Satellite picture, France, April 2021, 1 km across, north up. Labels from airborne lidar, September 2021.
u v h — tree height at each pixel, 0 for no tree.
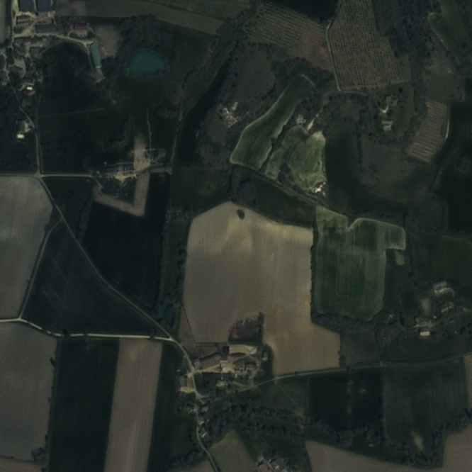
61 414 0
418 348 0
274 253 0
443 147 0
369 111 10
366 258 0
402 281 0
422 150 0
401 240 0
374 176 0
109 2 0
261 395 0
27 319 0
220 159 0
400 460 0
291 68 15
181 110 13
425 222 0
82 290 0
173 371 0
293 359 0
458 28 0
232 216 0
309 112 10
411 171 0
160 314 13
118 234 0
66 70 0
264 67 0
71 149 0
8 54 12
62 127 0
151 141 0
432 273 0
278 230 0
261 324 12
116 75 16
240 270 0
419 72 16
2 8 0
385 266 0
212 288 0
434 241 0
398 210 0
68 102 0
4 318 0
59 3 0
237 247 0
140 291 0
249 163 0
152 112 0
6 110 12
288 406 0
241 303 0
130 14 0
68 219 0
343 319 14
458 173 0
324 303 0
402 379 0
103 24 0
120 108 0
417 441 0
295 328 0
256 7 19
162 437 0
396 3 18
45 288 0
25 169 0
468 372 0
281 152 0
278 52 19
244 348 0
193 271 0
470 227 0
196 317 0
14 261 0
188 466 14
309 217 0
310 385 0
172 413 0
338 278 0
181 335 0
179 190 0
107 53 0
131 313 0
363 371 0
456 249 0
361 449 0
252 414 12
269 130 0
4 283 0
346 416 0
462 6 0
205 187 0
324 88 17
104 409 0
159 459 0
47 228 11
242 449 0
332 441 0
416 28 8
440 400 0
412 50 17
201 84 16
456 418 0
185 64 0
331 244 0
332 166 0
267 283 0
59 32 0
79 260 0
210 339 0
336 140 0
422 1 18
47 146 6
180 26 0
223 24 0
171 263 0
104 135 0
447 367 0
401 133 0
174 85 0
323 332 0
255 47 8
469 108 0
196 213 18
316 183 0
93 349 0
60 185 0
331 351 0
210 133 0
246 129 0
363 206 0
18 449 0
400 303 0
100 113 0
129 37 13
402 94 14
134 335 0
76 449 0
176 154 0
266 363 0
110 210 0
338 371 0
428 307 0
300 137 0
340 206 0
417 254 0
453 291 0
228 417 13
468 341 0
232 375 13
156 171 0
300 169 0
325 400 0
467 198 0
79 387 0
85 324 0
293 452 0
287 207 0
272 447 0
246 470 0
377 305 0
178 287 9
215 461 0
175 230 0
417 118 7
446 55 8
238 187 14
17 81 11
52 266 0
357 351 0
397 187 0
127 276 0
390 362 7
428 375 0
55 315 0
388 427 0
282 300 0
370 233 0
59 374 0
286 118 0
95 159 0
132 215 0
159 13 0
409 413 0
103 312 0
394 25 14
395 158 0
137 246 0
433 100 0
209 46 0
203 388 9
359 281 0
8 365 0
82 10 0
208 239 0
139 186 0
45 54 0
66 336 20
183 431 0
